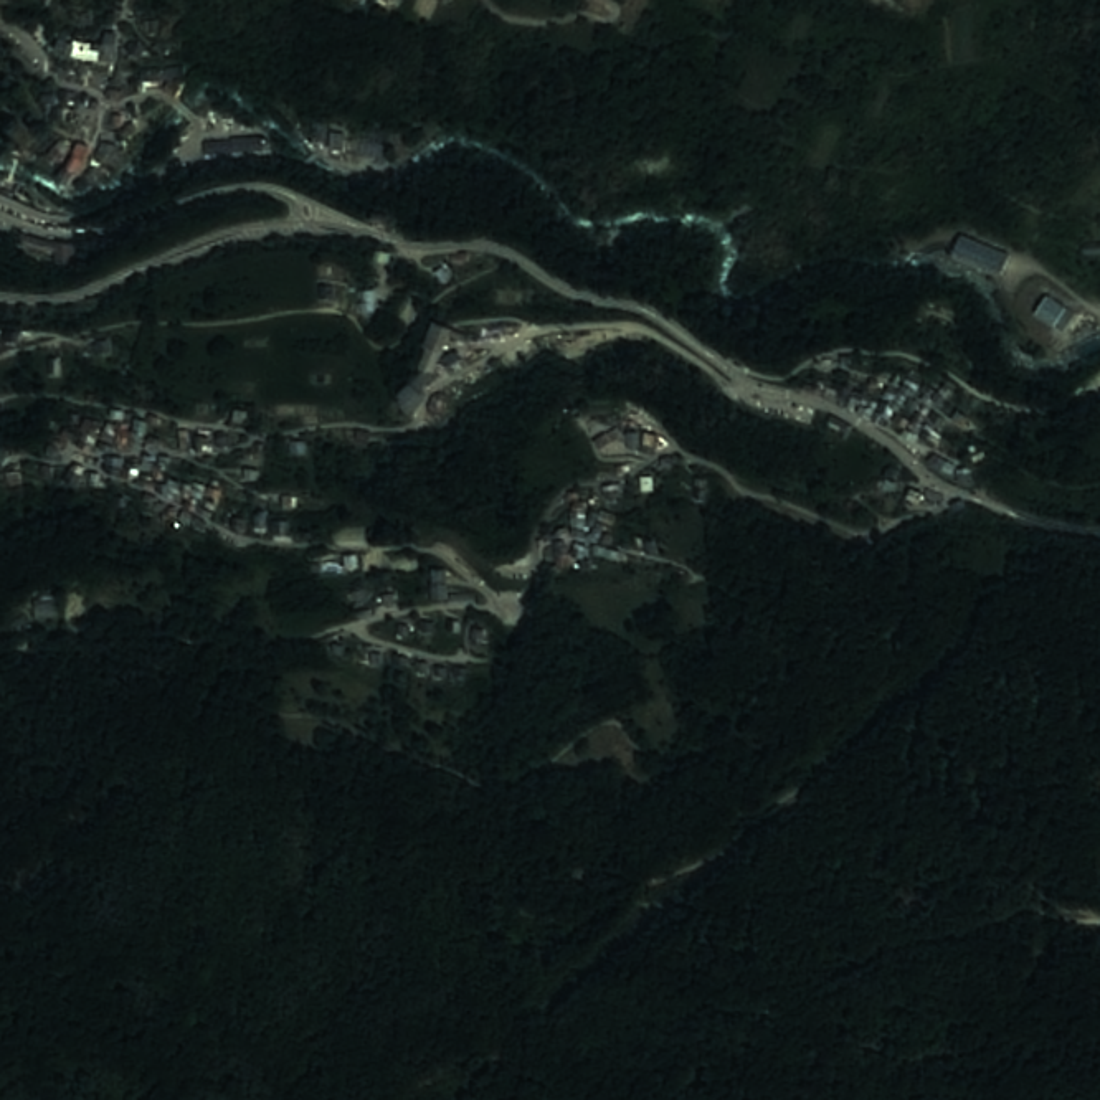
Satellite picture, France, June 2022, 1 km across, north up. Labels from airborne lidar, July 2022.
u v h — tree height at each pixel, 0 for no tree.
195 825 17
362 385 7
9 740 14
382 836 21
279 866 17
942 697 30
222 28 9
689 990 31
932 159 8
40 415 20
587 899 25
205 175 26
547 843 25
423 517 15
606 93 7
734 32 8
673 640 9
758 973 33
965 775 33
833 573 30
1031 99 10
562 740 14
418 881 22
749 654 24
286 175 17
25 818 27
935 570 18
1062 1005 29
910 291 23
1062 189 15
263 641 20
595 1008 24
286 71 20
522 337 0
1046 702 20
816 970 24
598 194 16
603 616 0
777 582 8
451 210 22
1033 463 19
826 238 20
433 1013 22
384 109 14
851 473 0
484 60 14
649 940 22
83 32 7
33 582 20
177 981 29
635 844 25
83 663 26
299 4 14
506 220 23
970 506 8
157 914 29
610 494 0
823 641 28
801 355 12
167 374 13
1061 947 22
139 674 24
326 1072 28
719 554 16
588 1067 28
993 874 20
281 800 22
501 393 6
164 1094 27
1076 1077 32
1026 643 24
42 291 6
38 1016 27
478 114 17
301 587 8
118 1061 27
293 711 0
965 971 29
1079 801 27
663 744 7
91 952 22
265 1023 16
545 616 20
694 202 8
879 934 24
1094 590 28
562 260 28
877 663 34
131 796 22
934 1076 23
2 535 21
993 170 17
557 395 17
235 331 0
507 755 21
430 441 16
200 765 17
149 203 22
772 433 13
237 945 20
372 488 21
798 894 21
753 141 16
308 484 8
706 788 28
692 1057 27
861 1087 22
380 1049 20
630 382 18
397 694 17
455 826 28
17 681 18
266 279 0
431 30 9
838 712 25
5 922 27
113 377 7
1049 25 14
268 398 0
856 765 25
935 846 20
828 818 25
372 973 23
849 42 8
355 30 20
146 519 12
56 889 25
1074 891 21
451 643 0
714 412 22
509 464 12
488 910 24
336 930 21
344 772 26
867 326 13
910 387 0
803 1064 20
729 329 30
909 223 13
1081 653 30
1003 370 8
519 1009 30
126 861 19
